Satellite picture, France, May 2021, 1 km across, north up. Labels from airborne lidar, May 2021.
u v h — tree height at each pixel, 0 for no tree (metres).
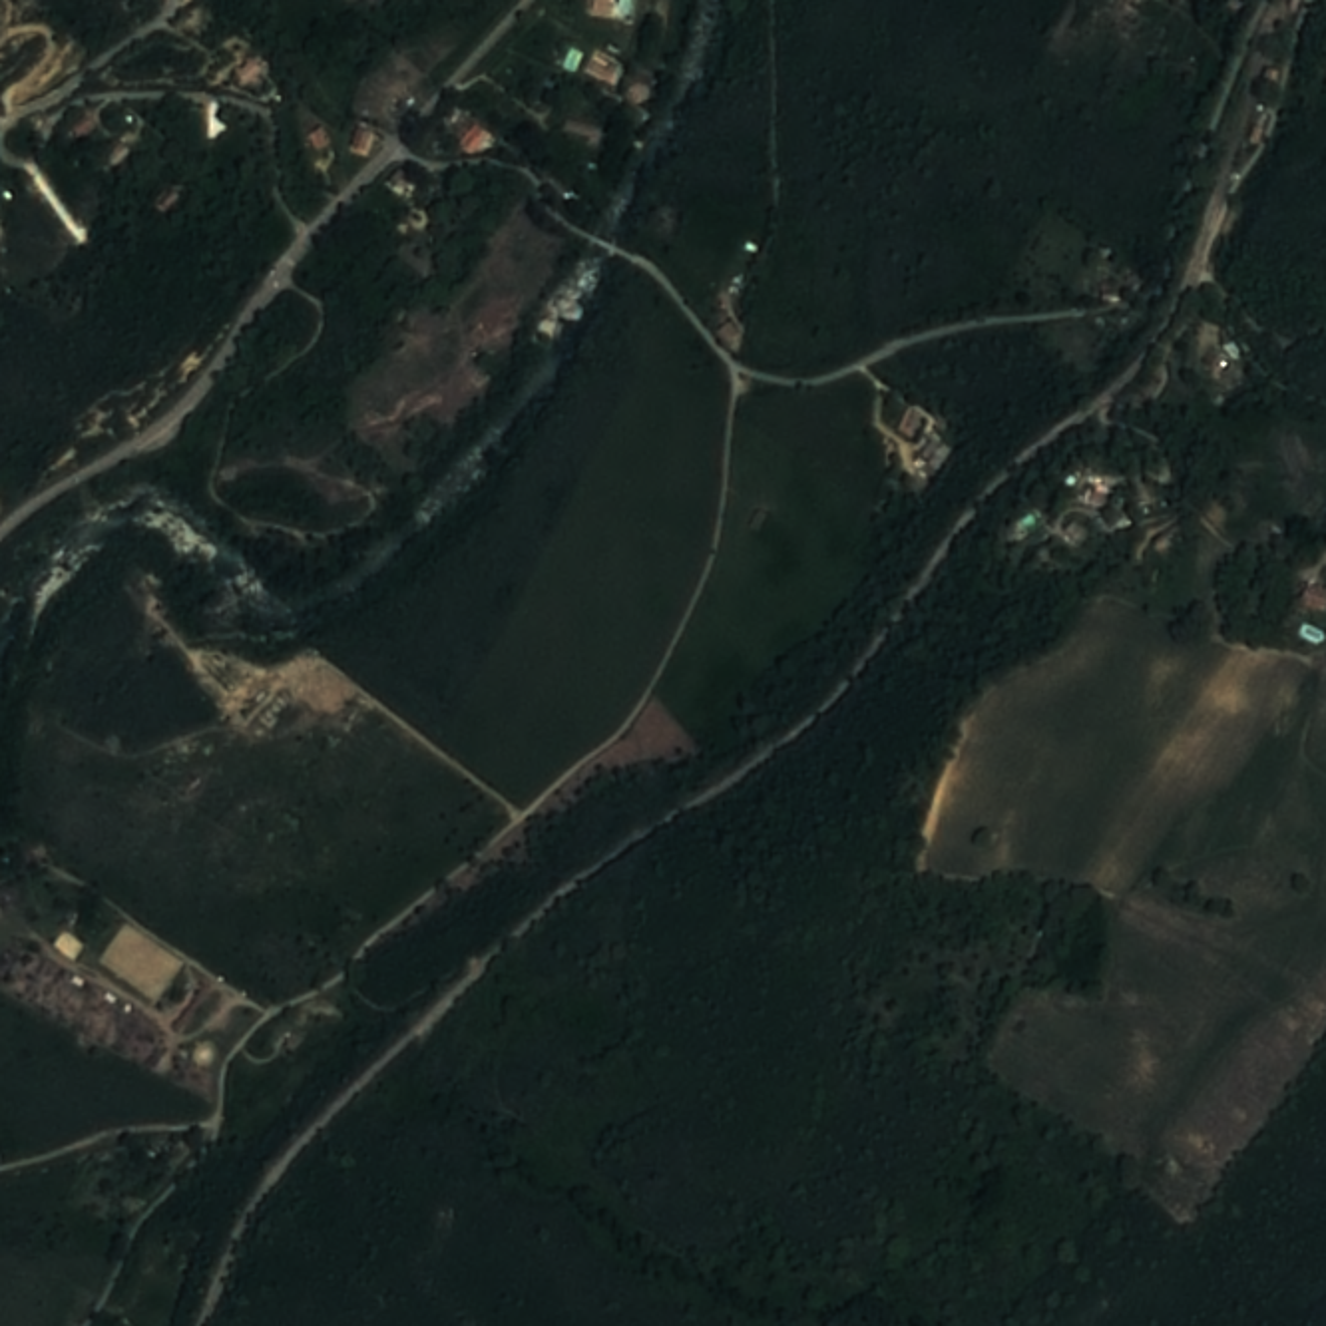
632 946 7
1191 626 15
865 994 11
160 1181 7
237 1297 10
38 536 9
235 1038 0
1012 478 7
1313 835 0
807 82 7
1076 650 0
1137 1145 0
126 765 0
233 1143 10
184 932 0
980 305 10
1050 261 0
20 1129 0
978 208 8
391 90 0
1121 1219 9
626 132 20
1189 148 13
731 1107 7
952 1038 7
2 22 0
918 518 9
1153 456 11
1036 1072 0
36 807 0
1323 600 0
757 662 0
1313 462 0
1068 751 0
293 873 0
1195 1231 7
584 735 0
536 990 0
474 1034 0
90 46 9
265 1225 10
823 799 6
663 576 0
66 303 7
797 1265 9
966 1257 8
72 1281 0
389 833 0
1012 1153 11
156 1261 0
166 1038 0
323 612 10
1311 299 8
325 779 0
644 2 0
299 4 0
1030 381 8
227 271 6
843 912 7
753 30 6
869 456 0
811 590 0
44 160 11
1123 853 0
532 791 0
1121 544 9
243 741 0
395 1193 7
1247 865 0
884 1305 20
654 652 0
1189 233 10
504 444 7
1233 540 0
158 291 9
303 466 0
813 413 0
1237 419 13
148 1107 0
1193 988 0
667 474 0
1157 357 14
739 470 0
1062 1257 13
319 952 9
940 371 7
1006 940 13
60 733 0
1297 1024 0
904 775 9
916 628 11
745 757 7
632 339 0
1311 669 0
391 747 0
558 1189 8
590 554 0
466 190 13
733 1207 11
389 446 0
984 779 0
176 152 14
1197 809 0
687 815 10
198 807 0
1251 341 8
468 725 0
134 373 7
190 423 9
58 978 0
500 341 0
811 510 0
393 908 0
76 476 0
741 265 0
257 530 0
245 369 13
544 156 18
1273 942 0
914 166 8
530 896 7
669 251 8
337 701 0
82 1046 0
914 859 7
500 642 0
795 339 0
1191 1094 0
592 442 0
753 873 12
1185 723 0
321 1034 0
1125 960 0
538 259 0
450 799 0
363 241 7
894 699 6
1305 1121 6
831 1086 6
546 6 6
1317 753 0
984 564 6
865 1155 10
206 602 18
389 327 16
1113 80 11
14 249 0
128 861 0
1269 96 25
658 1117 6
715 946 6
